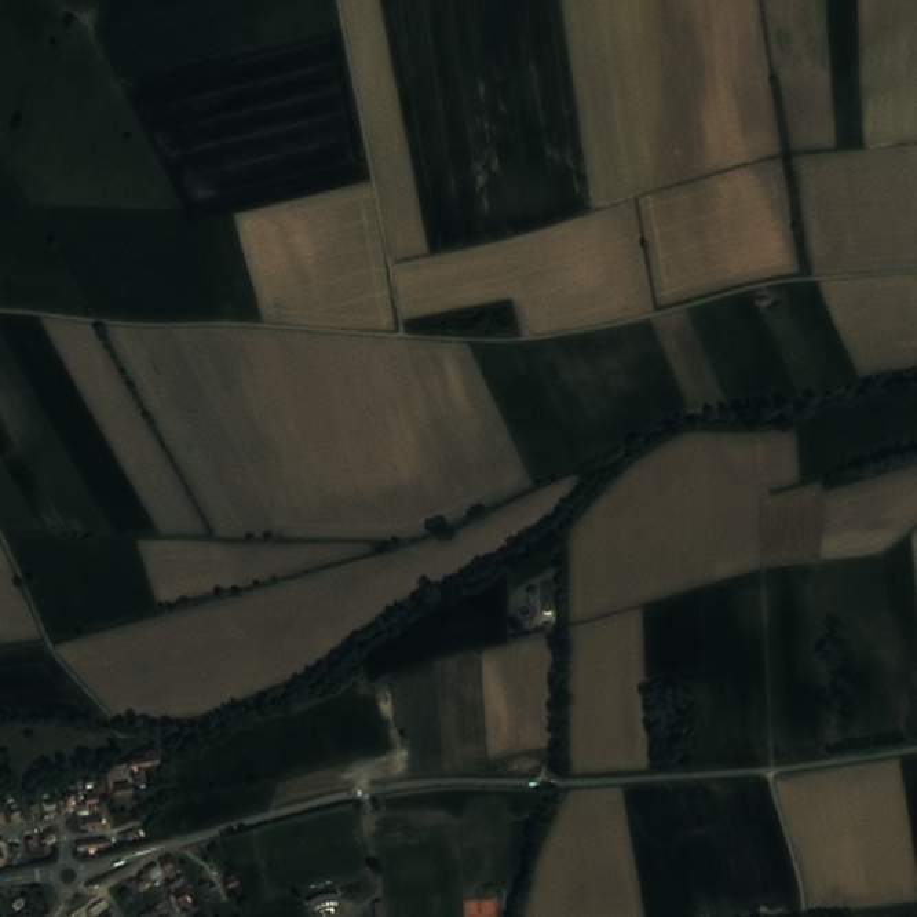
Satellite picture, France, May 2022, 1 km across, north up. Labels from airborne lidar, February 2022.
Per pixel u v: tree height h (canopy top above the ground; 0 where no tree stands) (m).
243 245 0
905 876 0
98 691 0
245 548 0
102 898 0
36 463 0
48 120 0
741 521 0
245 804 0
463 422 0
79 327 0
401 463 0
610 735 0
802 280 0
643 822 0
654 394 0
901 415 0
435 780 0
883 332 0
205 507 0
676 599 0
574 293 0
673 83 0
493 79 0
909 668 0
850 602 0
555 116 0
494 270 0
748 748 0
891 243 0
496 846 0
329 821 0
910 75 0
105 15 0
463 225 0
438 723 0
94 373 0
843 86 0
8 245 0
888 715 0
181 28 0
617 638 0
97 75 0
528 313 0
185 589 0
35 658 0
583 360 0
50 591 0
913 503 0
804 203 0
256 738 0
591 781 0
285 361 0
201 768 0
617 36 0
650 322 0
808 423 0
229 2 0
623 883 0
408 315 0
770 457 0
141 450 0
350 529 0
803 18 0
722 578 0
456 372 0
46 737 0
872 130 0
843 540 0
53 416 0
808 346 0
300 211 0
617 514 0
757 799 0
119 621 0
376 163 0
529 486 0
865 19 0
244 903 10
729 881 0
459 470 0
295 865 0
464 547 0
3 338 0
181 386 0
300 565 0
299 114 0
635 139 0
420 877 0
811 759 0
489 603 0
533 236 0
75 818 0
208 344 0
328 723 0
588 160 0
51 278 0
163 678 0
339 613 0
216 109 0
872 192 0
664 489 0
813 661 0
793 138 0
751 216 0
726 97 0
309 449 0
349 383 0
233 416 0
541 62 0
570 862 0
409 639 0
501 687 0
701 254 0
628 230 0
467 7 0
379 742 0
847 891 0
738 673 0
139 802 7
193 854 0
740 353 0
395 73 0
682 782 0
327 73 0
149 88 0
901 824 0
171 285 0
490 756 0
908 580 0
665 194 0
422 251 0
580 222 0
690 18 0
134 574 0
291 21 0
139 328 0
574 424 0
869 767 0
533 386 0
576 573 0
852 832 0
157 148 0
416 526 0
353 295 0
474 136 0
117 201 0
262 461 0
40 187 0
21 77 0
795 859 0
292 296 0
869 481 0
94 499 0
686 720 22
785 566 0
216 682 0
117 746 10
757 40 0
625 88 0
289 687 10
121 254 0
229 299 0
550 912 0
